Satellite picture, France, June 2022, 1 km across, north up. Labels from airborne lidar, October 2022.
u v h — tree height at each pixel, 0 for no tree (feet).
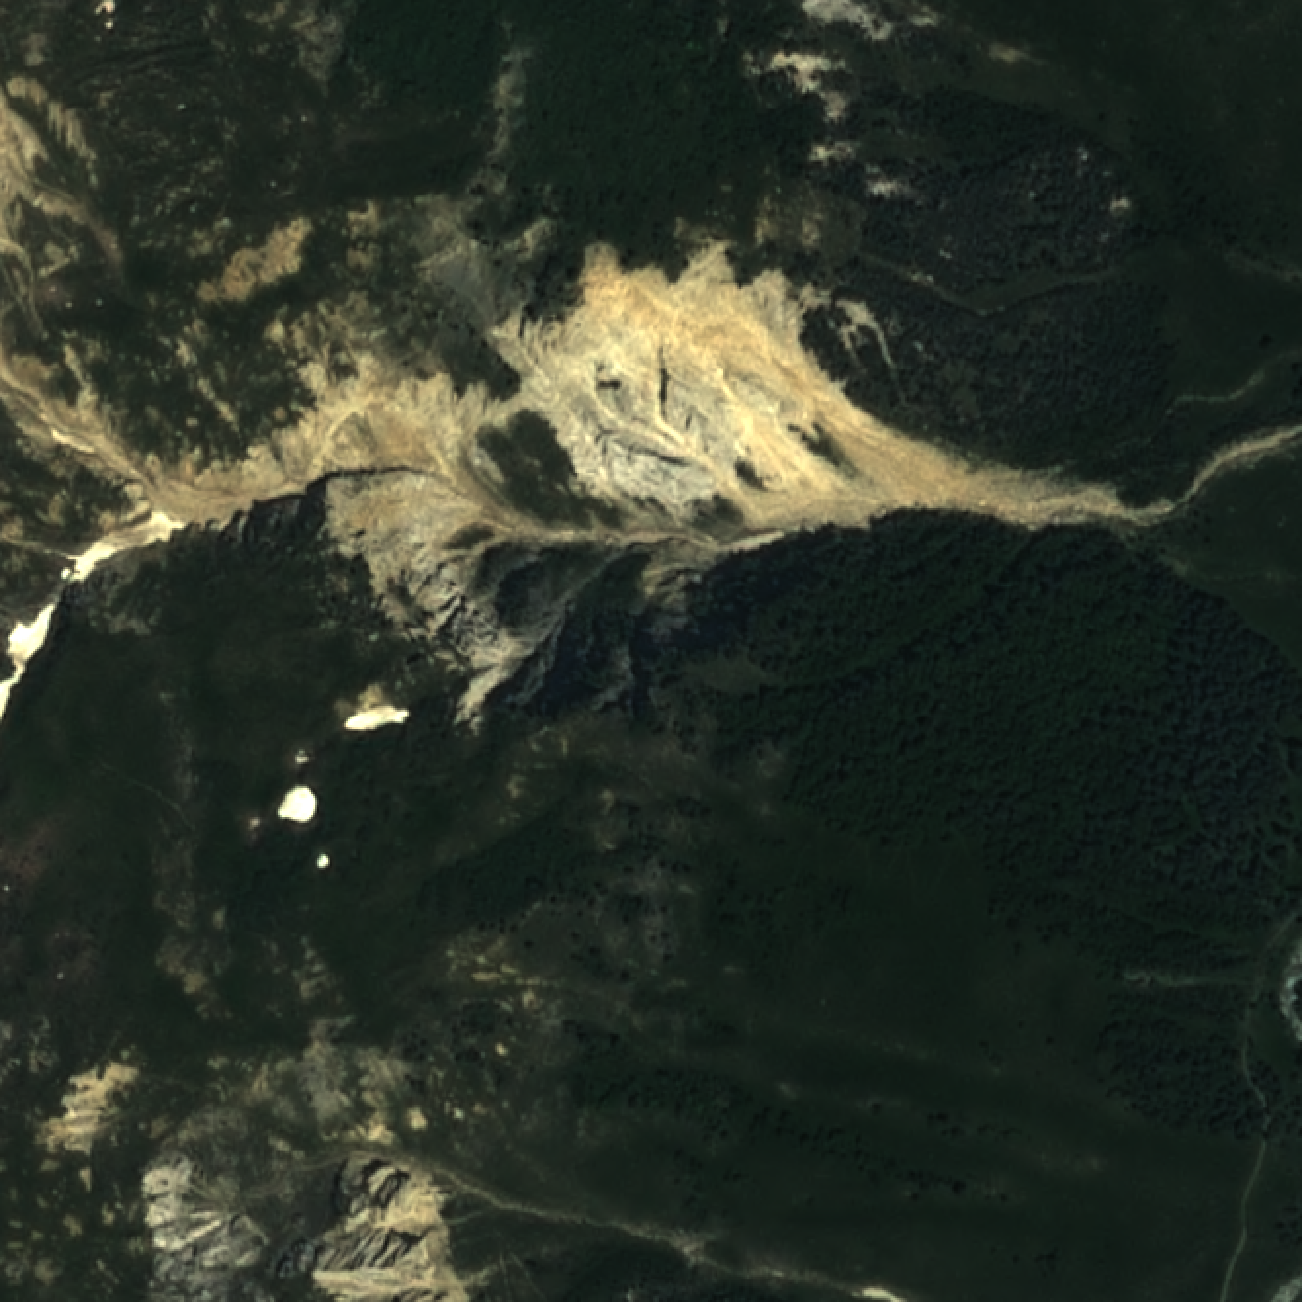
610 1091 26
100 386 0
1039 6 0
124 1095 0
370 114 0
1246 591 0
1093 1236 0
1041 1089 0
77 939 0
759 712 56
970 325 23
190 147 0
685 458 0
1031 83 0
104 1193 0
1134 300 23
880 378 34
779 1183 0
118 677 0
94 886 0
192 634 0
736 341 0
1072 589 42
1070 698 45
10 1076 0
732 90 18
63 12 0
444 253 0
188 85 0
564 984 0
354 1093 0
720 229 0
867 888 0
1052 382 51
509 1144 0
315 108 0
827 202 0
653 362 0
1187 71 0
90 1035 0
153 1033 0
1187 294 0
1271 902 81
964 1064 0
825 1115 0
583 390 0
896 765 39
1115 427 26
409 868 0
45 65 0
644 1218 0
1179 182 34
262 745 0
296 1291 0
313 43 0
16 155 0
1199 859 85
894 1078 0
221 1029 0
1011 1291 0
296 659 0
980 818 38
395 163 0
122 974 0
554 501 0
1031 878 33
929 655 32
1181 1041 26
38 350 0
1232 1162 0
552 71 23
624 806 21
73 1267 0
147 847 0
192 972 0
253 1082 0
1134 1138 0
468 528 0
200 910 0
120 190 0
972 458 0
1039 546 38
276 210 0
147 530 0
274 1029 0
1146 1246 0
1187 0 0
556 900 35
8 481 0
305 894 0
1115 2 0
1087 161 28
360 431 0
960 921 0
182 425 0
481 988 0
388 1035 0
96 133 0
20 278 0
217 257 0
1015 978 0
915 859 0
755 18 27
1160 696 55
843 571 21
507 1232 0
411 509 0
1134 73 0
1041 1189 0
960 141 22
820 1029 0
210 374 0
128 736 0
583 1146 0
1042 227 52
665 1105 26
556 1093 0
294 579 0
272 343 0
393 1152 0
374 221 0
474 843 0
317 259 0
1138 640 39
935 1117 25
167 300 0
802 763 42
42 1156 0
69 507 0
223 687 0
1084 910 45
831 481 0
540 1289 0
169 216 0
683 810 30
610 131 20
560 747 0
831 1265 0
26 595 0
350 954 0
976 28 0
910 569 28
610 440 0
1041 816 25
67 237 0
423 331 0
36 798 0
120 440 0
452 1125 0
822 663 50
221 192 0
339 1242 0
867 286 49
